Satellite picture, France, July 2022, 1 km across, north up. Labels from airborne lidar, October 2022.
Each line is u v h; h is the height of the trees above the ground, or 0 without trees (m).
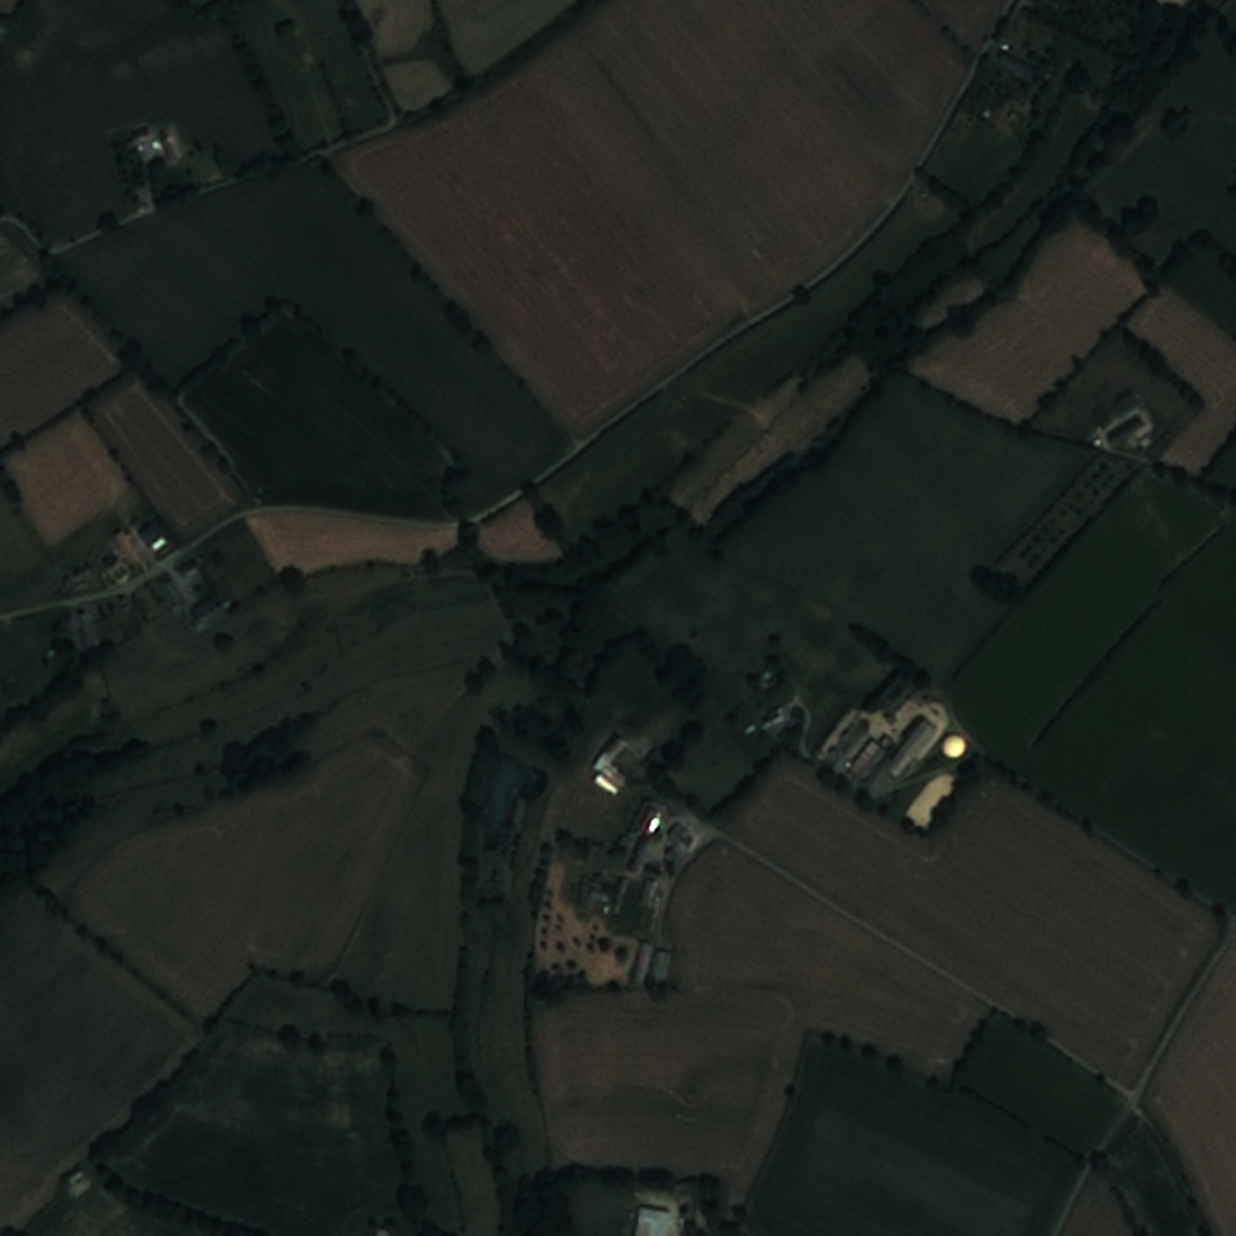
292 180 0
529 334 0
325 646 0
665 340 0
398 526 0
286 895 0
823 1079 0
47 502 0
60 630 7
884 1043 0
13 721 16
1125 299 0
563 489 0
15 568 0
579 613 15
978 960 0
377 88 6
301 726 11
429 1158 0
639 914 0
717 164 0
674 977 0
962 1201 0
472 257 0
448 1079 0
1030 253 10
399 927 0
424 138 0
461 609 0
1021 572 0
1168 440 0
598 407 0
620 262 0
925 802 0
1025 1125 6
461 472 10
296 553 0
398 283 0
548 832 0
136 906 0
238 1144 0
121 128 0
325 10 0
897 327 15
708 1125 0
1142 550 0
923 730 0
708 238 0
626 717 0
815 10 0
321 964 0
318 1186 0
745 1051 0
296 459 0
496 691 0
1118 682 0
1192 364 0
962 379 0
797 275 0
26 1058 0
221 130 0
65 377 0
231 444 0
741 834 0
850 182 0
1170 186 0
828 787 10
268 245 0
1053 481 0
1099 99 8
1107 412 0
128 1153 0
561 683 16
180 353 0
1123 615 0
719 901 0
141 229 0
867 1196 0
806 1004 0
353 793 0
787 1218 0
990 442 0
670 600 0
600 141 0
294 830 0
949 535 0
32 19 0
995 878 0
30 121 0
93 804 16
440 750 0
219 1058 0
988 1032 8
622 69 0
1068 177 6
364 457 0
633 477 0
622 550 0
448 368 0
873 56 0
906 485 0
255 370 0
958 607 0
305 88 0
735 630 0
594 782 0
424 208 0
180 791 0
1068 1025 0
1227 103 0
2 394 0
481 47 0
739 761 0
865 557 0
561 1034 0
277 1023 0
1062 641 0
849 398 0
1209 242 14
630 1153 0
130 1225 0
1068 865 0
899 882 0
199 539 0
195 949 0
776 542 0
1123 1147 0
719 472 0
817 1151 0
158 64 0
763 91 0
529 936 0
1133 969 0
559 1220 20
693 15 0
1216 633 0
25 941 0
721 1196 7
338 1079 0
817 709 0
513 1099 0
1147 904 0
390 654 0
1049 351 0
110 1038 0
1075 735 0
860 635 13
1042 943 0
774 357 0
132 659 0
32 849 24
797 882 0
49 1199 0
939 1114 0
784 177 0
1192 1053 0
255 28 0
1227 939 0
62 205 0
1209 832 0
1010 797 0
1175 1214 0
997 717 0
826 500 0
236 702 0
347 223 0
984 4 0
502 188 0
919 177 6
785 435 0
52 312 0
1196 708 0
